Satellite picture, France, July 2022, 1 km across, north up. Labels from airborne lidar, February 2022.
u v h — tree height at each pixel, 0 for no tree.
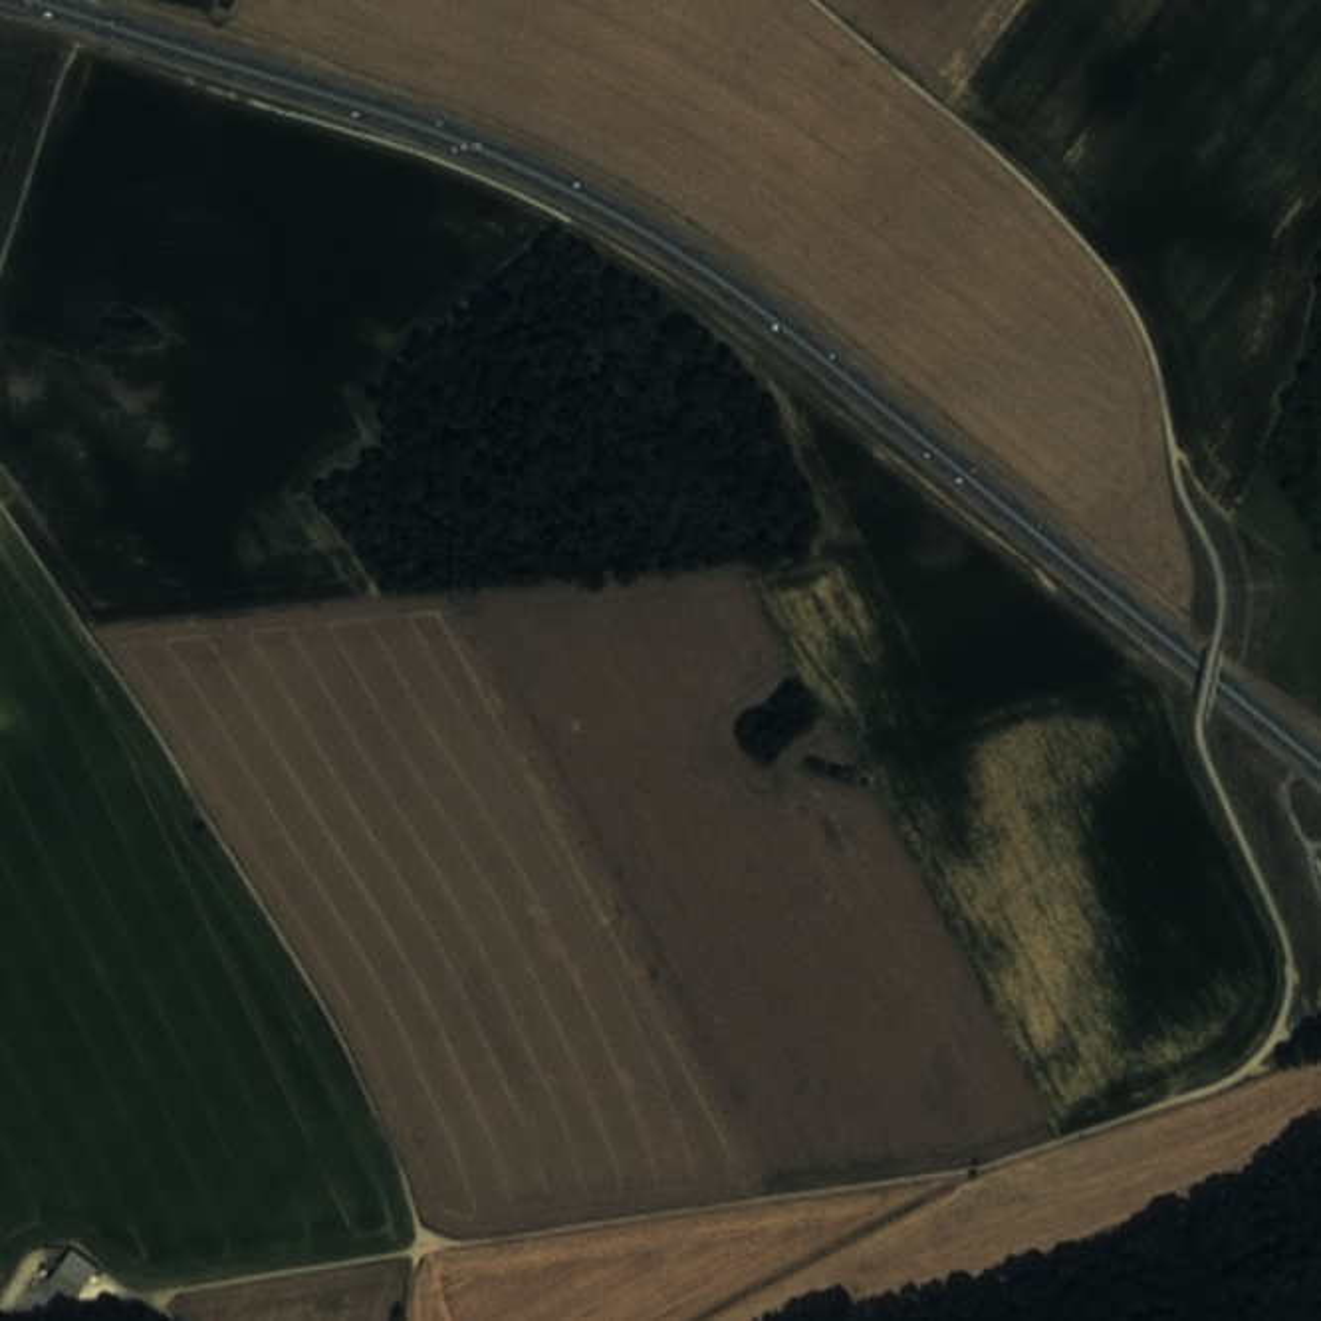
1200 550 0
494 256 0
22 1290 0
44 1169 0
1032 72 0
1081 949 0
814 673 0
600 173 0
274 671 0
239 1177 0
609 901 0
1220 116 0
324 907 0
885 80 0
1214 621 0
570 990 0
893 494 0
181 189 0
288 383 0
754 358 0
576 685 0
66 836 0
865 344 0
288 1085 0
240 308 0
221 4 0
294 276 0
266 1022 0
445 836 0
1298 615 0
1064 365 0
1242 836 0
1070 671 0
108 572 0
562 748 0
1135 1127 0
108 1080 0
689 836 0
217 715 0
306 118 0
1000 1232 0
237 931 0
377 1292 0
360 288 0
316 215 0
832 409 0
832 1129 0
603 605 0
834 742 0
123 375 0
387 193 0
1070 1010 0
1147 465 0
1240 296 0
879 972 0
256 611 0
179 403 0
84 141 0
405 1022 0
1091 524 0
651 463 24
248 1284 0
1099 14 0
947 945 0
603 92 0
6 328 0
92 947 0
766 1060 0
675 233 0
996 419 0
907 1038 0
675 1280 0
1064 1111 0
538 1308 0
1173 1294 37
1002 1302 28
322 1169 0
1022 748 0
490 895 0
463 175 0
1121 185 0
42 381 0
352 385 0
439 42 0
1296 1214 34
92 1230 0
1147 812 0
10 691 0
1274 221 0
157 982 0
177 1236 0
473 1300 0
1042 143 0
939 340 0
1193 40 0
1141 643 0
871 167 0
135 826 0
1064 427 0
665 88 0
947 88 0
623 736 0
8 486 0
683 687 0
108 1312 20
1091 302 0
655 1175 0
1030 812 0
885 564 0
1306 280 0
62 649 0
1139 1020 0
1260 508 0
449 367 19
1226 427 0
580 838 0
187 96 0
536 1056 0
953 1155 0
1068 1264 25
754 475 23
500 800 0
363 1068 0
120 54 0
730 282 0
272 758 0
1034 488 0
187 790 0
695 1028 0
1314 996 0
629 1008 0
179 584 0
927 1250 0
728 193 0
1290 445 9
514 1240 0
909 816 0
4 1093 0
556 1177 0
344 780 0
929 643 0
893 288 0
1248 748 0
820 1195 0
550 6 0
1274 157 0
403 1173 0
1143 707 0
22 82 0
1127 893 0
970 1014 0
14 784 0
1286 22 0
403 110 0
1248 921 0
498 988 0
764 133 0
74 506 0
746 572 0
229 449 0
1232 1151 0
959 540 0
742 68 0
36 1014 0
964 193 0
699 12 0
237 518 0
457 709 0
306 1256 0
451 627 0
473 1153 0
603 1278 0
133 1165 0
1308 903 0
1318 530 7
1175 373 0
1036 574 0
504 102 0
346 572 0
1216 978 0
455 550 12
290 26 0
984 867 0
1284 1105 0
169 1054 0
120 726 0
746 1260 0
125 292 0
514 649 0
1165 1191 0
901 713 0
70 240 0
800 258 0
